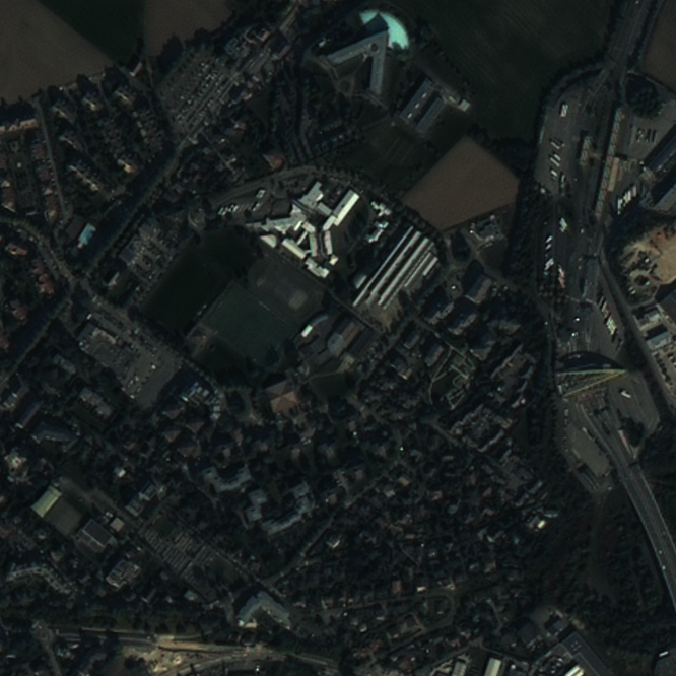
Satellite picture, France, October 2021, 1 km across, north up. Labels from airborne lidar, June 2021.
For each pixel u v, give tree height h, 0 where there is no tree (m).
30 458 14
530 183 12
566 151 0
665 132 0
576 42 0
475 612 7
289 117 6
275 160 0
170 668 0
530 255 8
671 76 0
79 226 0
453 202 0
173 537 0
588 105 0
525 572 10
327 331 0
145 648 0
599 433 0
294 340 0
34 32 0
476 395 10
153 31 0
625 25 0
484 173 0
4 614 13
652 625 10
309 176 0
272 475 11
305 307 0
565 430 0
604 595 0
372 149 0
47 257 0
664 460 6
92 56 0
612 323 0
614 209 0
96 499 0
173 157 13
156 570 0
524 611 17
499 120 0
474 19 0
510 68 0
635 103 11
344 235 0
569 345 0
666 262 0
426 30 13
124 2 0
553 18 0
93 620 8
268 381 0
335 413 15
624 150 0
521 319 10
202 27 0
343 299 13
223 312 0
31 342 18
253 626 0
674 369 0
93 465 6
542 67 0
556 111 0
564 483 7
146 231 0
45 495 0
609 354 0
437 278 11
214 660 0
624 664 6
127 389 0
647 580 15
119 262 7
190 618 9
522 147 10
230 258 0
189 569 0
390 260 0
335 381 0
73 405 7
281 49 0
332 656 19
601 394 0
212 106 0
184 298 0
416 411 8
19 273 13
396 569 7
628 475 0
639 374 0
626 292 8
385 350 9
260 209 0
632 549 8
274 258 0
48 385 0
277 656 0
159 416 8
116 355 0
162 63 0
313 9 12
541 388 12
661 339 0
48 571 0
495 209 0
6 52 0
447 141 0
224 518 16
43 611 14
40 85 0
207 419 5
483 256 0
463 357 0
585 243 0
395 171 0
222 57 14
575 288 0
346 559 8
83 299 16
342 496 12
